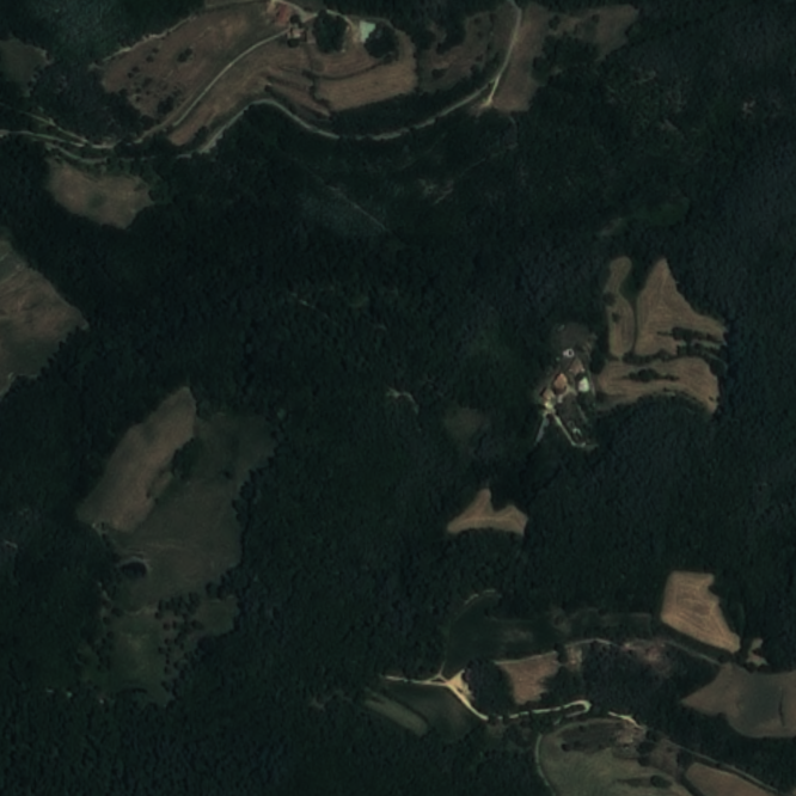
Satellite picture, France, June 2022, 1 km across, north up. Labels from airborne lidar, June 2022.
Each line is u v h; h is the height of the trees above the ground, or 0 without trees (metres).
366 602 18
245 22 0
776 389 16
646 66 19
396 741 22
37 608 12
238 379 26
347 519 15
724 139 10
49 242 16
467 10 12
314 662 19
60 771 17
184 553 0
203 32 0
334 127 13
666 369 0
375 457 14
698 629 0
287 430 13
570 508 21
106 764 17
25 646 18
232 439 0
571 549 19
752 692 0
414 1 11
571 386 6
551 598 16
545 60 8
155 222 9
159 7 13
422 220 10
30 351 0
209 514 0
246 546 17
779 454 15
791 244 13
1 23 25
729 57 12
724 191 20
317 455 16
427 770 19
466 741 11
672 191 18
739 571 14
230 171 16
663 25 10
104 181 0
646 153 15
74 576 11
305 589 20
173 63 0
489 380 8
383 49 10
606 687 15
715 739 10
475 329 12
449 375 14
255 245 20
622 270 0
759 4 20
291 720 18
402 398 10
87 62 10
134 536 0
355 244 29
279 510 16
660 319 0
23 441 20
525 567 22
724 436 18
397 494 19
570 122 10
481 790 10
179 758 24
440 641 13
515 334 14
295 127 7
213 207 10
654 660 0
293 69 0
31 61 0
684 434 13
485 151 8
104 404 21
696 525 21
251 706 21
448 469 22
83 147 7
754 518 11
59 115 18
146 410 19
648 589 18
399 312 18
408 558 13
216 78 0
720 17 15
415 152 7
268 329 23
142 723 18
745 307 14
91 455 21
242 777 16
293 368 22
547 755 0
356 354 18
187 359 15
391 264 28
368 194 6
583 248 24
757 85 12
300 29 8
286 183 19
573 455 9
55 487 13
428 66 0
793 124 16
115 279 14
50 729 21
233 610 0
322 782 19
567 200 15
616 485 19
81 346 18
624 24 0
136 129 12
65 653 16
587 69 15
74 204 0
